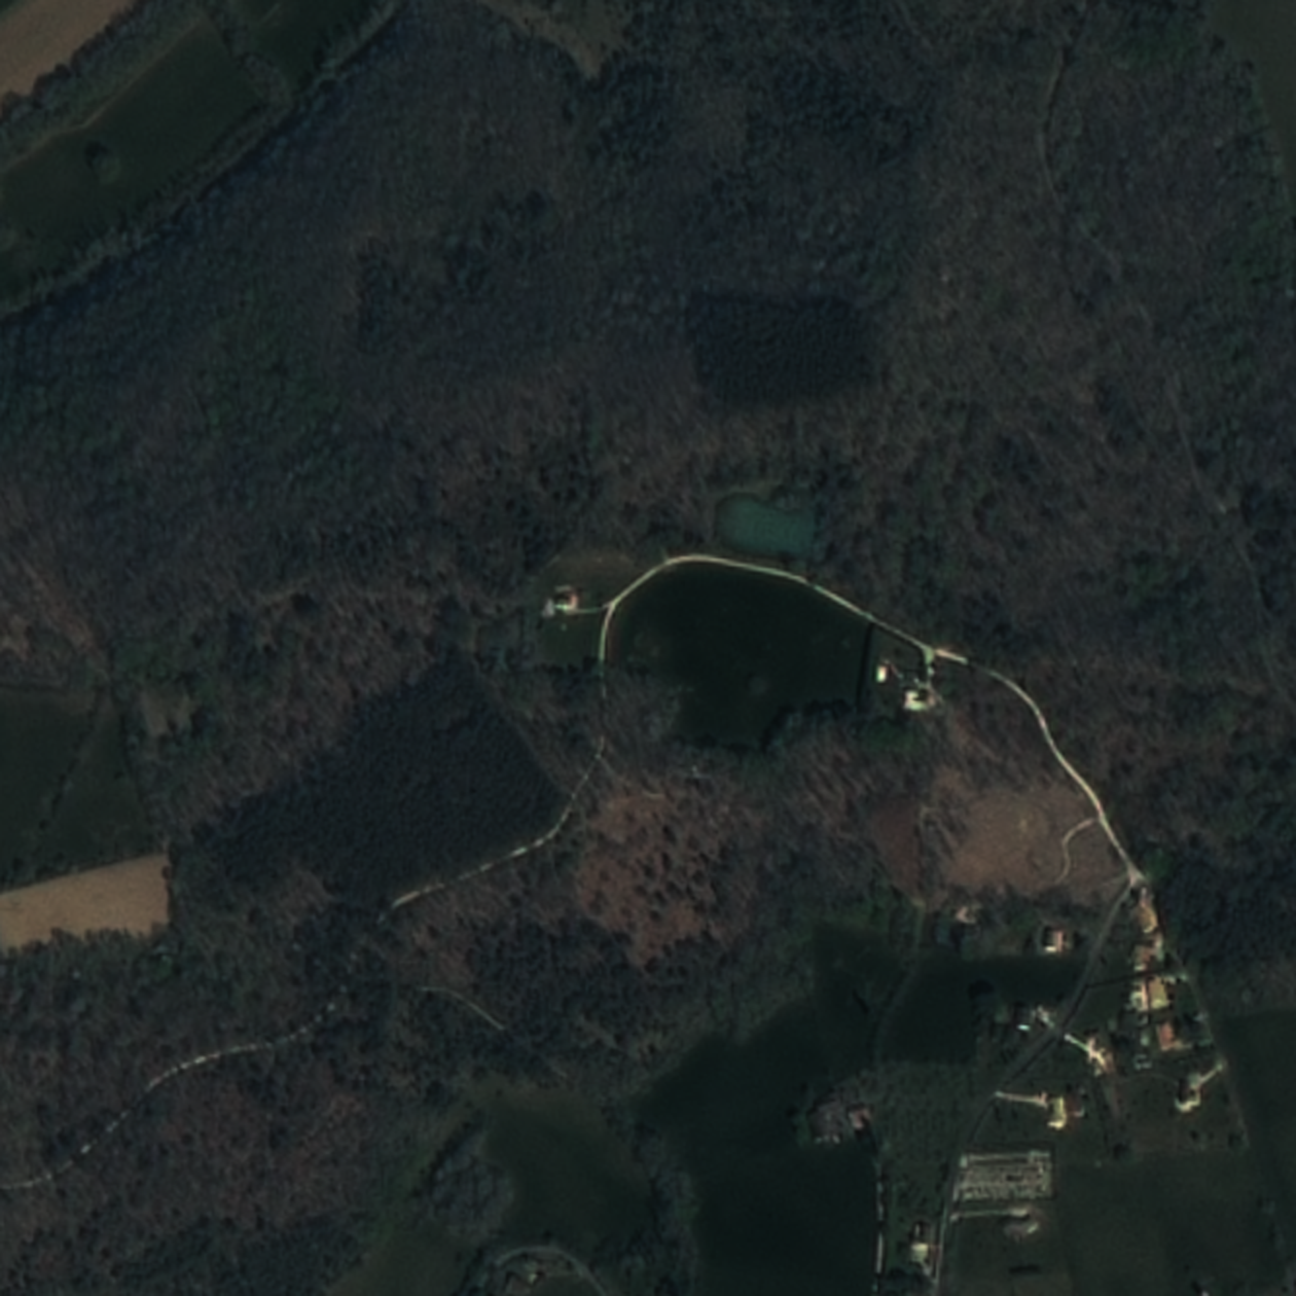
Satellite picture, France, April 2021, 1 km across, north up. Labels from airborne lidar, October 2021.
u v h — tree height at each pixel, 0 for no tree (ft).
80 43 0
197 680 67
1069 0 29
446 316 63
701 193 47
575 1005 31
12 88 0
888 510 30
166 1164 47
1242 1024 0
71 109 80
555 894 48
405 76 30
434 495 30
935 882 51
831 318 72
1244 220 68
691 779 45
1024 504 42
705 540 48
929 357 66
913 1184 24
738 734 0
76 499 60
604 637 0
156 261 73
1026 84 59
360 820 82
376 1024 52
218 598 37
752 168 50
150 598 45
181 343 46
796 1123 34
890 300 67
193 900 70
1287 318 63
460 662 74
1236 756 57
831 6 46
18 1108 53
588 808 45
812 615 0
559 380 31
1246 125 77
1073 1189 0
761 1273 0
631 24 30
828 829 41
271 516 51
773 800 73
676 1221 83
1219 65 65
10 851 0
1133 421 62
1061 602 47
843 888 67
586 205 42
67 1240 41
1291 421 47
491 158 32
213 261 58
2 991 33
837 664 0
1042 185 59
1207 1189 0
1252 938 88
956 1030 0
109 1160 31
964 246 77
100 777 0
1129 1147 30
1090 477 54
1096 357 49
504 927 44
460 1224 68
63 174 0
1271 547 50
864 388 67
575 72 51
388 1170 75
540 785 85
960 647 46
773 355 40
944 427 64
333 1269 56
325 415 59
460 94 36
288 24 0
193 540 57
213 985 67
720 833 24
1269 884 82
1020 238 58
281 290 53
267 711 46
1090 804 0
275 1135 22
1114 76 61
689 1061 0
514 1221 0
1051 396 65
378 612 27
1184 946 67
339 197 35
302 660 37
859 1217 0
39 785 0
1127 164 74
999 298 63
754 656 0
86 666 58
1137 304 62
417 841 75
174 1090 37
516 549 29
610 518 55
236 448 64
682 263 58
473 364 57
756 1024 49
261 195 51
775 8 33
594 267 59
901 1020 0
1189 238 67
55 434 73
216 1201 35
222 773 50
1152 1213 0
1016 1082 0
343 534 30
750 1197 0
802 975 69
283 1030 19
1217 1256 0
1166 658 74
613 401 42
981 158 56
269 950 60
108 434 56
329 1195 40
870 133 49
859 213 72
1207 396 61
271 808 48
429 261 45
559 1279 0
